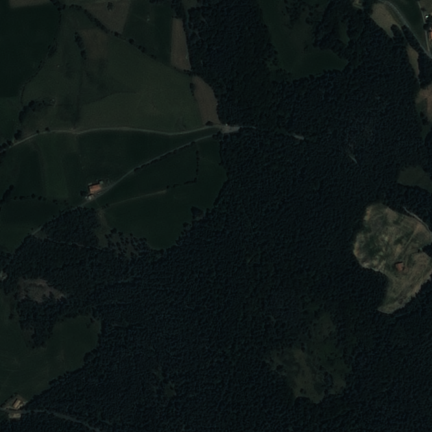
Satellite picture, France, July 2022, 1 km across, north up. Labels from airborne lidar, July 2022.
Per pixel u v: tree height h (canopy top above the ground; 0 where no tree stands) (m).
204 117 0
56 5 14
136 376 24
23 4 0
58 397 16
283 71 6
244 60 22
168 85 0
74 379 13
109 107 0
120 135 0
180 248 17
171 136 0
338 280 18
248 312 20
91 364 11
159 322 21
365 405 28
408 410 26
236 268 20
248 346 17
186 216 0
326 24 12
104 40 0
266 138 21
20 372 0
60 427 12
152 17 0
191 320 24
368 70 22
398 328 15
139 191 0
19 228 0
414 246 0
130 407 23
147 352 23
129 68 0
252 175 23
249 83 25
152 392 22
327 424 22
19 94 0
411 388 24
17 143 0
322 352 0
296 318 23
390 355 26
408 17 0
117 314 28
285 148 25
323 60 0
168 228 0
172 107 0
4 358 0
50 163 0
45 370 0
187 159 0
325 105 28
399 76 29
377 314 23
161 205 0
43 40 0
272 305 22
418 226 0
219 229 13
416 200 28
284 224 22
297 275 26
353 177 28
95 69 0
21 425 13
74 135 0
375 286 20
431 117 0
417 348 22
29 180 0
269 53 26
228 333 25
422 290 12
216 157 0
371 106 27
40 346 10
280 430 20
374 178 26
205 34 19
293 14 9
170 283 27
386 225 0
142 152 0
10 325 0
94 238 14
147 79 0
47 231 11
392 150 30
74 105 0
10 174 0
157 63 0
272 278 17
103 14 0
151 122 0
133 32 0
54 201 9
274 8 0
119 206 0
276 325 18
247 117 17
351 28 13
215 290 13
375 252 0
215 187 0
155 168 0
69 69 0
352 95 29
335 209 26
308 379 0
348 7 20
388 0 0
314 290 22
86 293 15
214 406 23
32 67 0
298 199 24
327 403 19
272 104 18
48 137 0
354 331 11
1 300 0
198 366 26
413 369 27
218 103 9
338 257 25
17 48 0
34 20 0
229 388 24
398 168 25
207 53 13
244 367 23
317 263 24
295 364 0
